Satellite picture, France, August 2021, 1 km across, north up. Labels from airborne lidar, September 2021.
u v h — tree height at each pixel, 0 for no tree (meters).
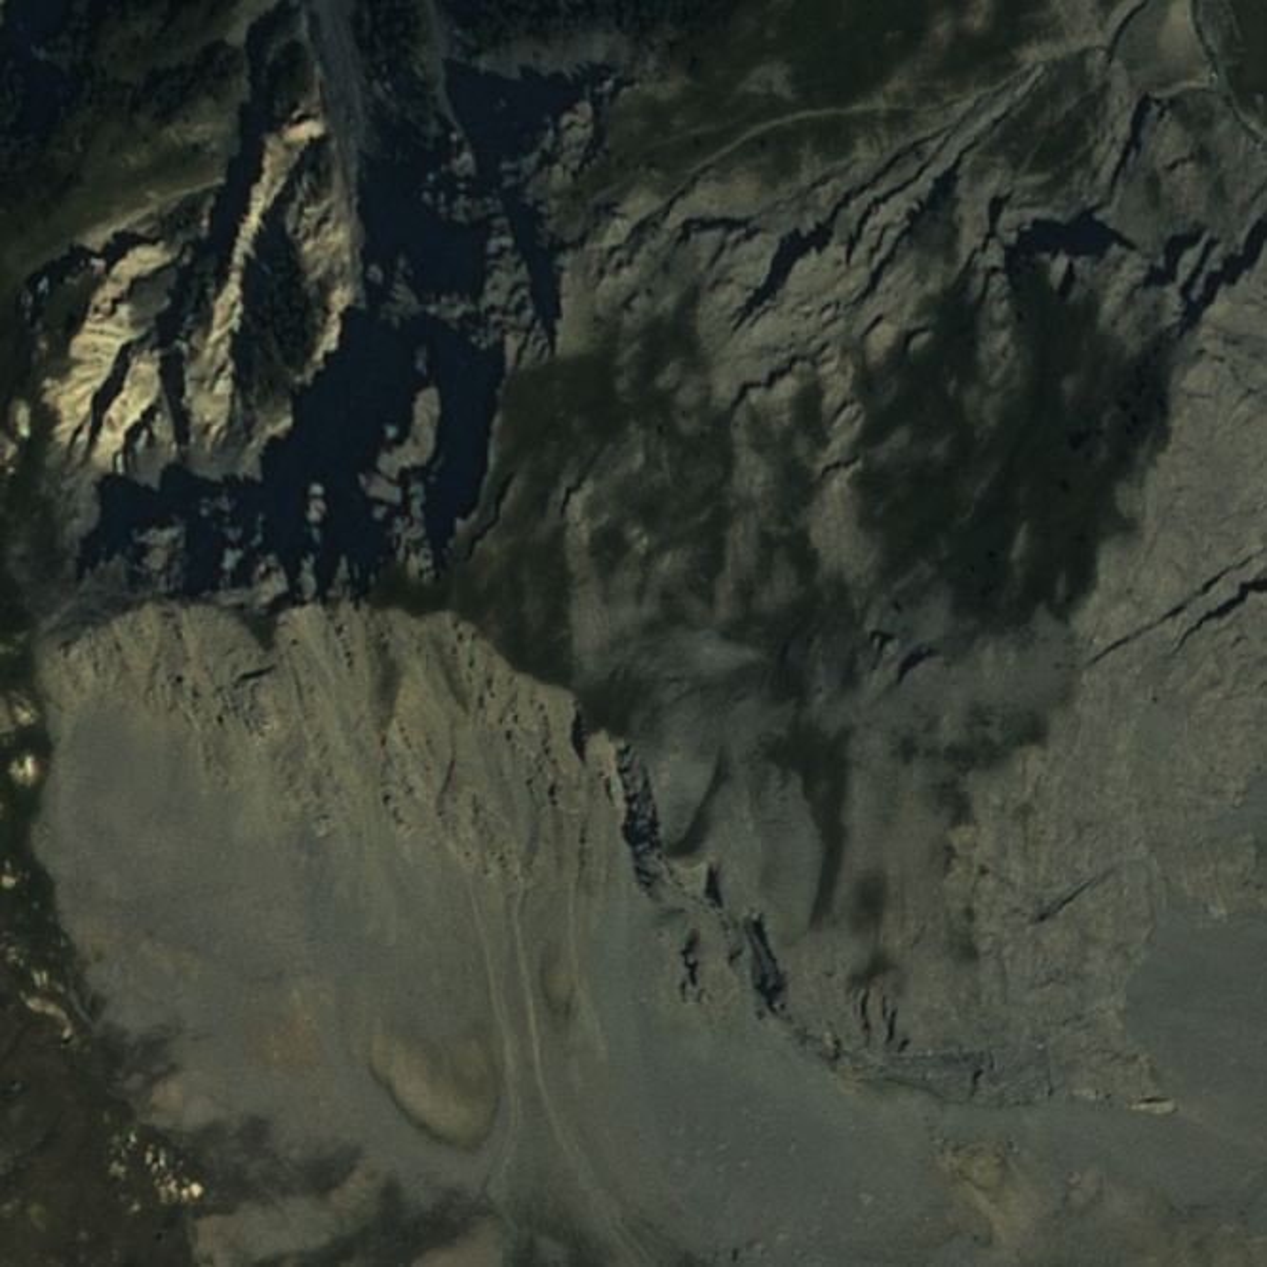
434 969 0
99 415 0
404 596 0
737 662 0
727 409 0
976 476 0
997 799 0
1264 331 0
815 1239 0
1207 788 0
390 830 0
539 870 0
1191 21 0
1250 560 0
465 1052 0
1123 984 0
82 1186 0
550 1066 0
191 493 0
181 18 15
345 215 0
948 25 0
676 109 0
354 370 0
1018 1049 0
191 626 0
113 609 0
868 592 0
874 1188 0
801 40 0
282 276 10
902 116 0
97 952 0
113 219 0
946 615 0
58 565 0
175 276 0
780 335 0
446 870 0
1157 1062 0
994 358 0
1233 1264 0
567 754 0
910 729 0
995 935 0
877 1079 0
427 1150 0
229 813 0
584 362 0
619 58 0
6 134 13
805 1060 0
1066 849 0
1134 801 0
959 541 0
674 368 0
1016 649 0
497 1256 0
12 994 0
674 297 0
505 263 0
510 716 0
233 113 0
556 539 0
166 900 0
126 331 0
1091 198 0
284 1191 0
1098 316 0
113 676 0
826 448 0
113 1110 0
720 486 0
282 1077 0
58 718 0
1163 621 0
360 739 0
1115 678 0
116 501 0
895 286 0
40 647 0
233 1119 0
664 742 0
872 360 0
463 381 0
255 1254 0
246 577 0
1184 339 0
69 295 0
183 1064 0
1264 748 0
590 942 0
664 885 0
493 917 0
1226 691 0
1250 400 0
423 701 0
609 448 0
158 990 0
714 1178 0
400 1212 0
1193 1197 0
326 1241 0
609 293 0
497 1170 0
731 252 0
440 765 0
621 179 0
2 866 0
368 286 0
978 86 0
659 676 0
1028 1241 0
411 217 0
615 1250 0
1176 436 0
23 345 0
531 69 0
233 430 0
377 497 0
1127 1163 0
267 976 0
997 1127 0
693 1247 0
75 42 17
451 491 0
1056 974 0
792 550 0
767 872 0
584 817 0
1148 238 0
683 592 0
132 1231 0
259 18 0
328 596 0
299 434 0
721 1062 0
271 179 0
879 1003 0
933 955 0
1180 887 0
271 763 0
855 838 0
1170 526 0
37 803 0
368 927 0
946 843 0
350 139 0
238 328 0
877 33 0
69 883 0
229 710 0
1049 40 0
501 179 0
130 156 0
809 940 0
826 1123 0
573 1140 0
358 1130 0
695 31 13
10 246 0
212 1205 0
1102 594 0
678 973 0
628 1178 0
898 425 0
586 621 0
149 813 0
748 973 0
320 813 0
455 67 0
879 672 0
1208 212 0
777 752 0
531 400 0
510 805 0
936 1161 0
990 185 0
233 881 0
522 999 0
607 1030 0
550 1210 0
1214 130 0
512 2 19
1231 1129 0
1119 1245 0
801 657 0
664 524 0
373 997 0
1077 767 0
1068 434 0
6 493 0
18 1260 0
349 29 0
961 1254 0
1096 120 0
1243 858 0
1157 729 0
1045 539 0
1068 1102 0
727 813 0
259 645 0
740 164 0
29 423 0
